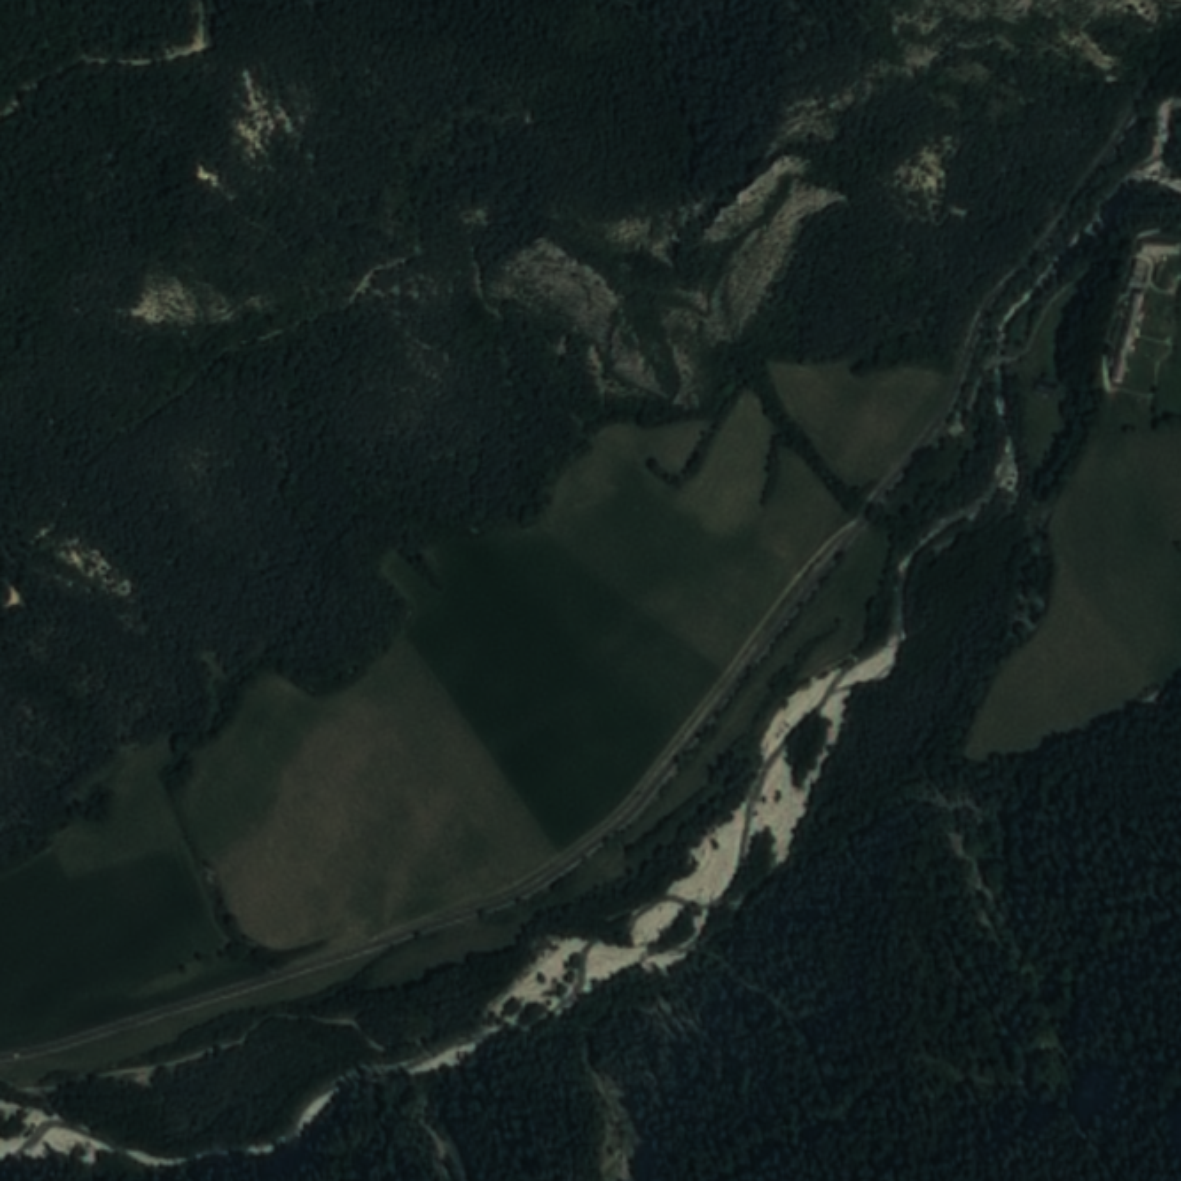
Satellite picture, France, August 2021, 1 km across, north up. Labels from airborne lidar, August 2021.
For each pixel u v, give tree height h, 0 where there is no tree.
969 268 16
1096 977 14
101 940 0
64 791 22
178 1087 9
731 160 21
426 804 0
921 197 8
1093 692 0
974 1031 15
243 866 0
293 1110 11
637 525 0
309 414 13
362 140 11
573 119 15
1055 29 9
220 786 0
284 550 15
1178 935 17
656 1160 10
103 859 0
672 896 0
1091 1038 15
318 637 17
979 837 10
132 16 19
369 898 0
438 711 0
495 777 0
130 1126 9
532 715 0
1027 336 7
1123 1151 27
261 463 11
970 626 11
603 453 0
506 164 15
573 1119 18
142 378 9
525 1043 16
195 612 13
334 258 6
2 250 13
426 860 0
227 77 9
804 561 0
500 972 13
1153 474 0
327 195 7
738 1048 11
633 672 0
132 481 14
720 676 0
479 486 14
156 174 11
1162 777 17
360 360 10
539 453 13
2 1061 0
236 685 11
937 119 12
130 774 0
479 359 12
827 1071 28
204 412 14
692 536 0
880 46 7
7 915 0
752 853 8
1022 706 0
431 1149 9
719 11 22
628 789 0
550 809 0
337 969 0
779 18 18
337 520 19
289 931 0
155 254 16
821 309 16
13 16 15
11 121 13
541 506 12
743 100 23
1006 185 14
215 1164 8
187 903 0
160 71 15
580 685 0
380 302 14
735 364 11
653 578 0
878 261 11
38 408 15
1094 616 0
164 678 7
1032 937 27
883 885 12
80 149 13
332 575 18
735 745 6
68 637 8
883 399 0
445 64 6
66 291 10
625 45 12
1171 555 0
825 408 0
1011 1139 22
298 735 0
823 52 17
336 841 0
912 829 15
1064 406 13
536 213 11
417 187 18
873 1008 19
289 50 6
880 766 14
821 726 10
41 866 0
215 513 8
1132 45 8
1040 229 17
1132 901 26
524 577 0
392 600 20
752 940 9
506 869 0
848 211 14
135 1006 0
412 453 12
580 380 12
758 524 0
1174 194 12
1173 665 0
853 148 12
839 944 18
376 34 15
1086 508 0
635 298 8
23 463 11
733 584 0
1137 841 18
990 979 19
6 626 25
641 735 0
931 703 12
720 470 0
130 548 14
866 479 0
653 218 7
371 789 0
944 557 7
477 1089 13
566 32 10
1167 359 0
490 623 0
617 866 0
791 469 0
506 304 12
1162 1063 24
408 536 16
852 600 0
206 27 7
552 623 0
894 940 20
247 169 8
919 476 14
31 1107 6
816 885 12
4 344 19
